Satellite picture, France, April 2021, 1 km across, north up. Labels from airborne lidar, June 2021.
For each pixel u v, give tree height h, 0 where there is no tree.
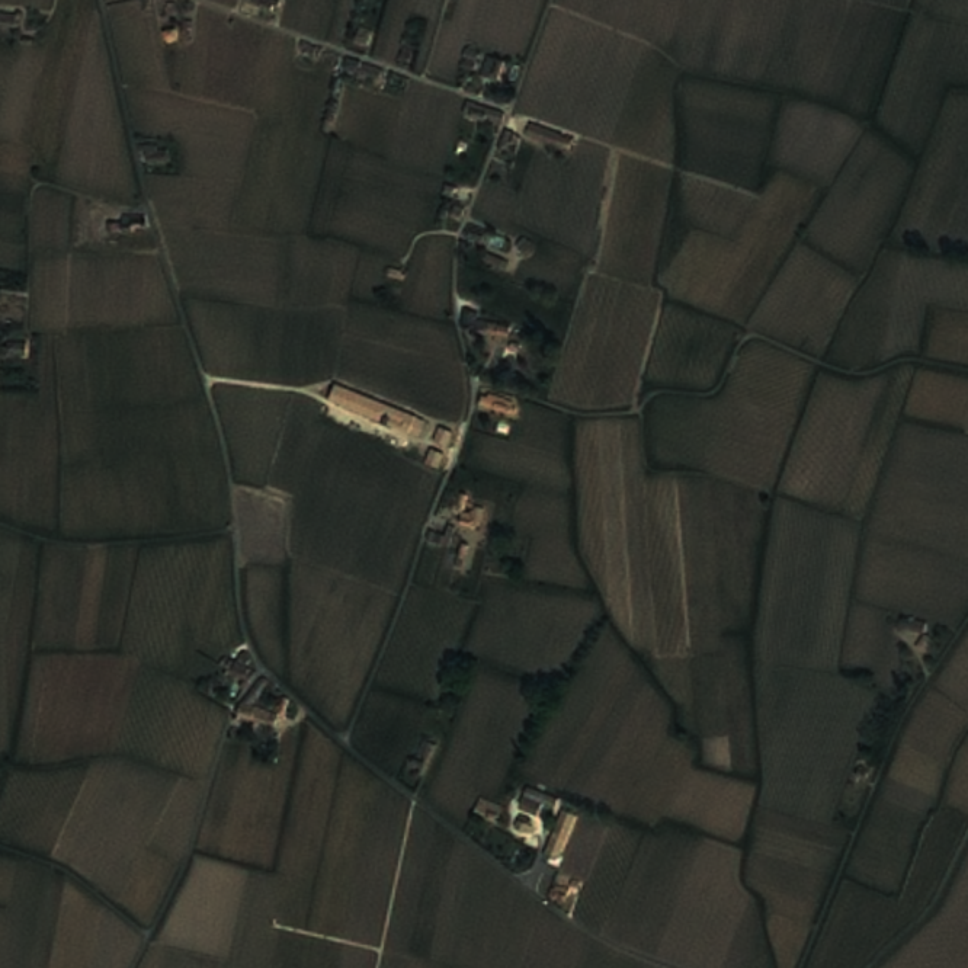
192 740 0
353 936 0
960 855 0
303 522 0
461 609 0
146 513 0
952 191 0
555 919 0
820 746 0
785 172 0
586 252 0
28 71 0
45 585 0
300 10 0
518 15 0
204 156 0
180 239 0
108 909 0
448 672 18
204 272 0
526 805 0
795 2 0
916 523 0
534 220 0
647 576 0
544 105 0
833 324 0
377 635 0
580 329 0
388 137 0
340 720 0
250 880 0
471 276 0
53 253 0
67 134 0
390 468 0
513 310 0
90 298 0
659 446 0
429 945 0
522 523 0
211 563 0
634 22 0
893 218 0
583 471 0
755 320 0
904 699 6
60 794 0
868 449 0
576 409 0
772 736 0
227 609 0
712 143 0
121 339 0
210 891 0
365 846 0
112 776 0
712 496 0
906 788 0
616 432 0
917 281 0
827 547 0
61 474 0
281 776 0
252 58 0
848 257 0
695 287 0
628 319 0
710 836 0
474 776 0
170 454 0
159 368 0
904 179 0
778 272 0
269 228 0
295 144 0
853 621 0
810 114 0
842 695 0
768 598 0
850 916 0
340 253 0
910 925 0
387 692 0
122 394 0
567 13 0
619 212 0
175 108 0
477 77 13
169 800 0
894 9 0
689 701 0
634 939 0
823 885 0
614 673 0
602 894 0
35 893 0
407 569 0
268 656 0
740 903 0
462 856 0
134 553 0
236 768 0
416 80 0
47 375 0
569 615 0
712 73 0
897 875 0
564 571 0
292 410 0
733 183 0
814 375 0
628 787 0
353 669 0
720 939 0
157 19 0
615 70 0
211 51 0
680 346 0
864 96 0
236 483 0
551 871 0
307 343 0
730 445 0
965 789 0
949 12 0
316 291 0
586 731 0
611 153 0
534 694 21
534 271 0
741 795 0
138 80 0
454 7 0
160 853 0
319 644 0
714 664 0
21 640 0
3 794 0
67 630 0
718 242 0
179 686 0
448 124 0
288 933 0
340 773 0
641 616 0
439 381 0
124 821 0
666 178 0
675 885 0
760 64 0
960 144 0
